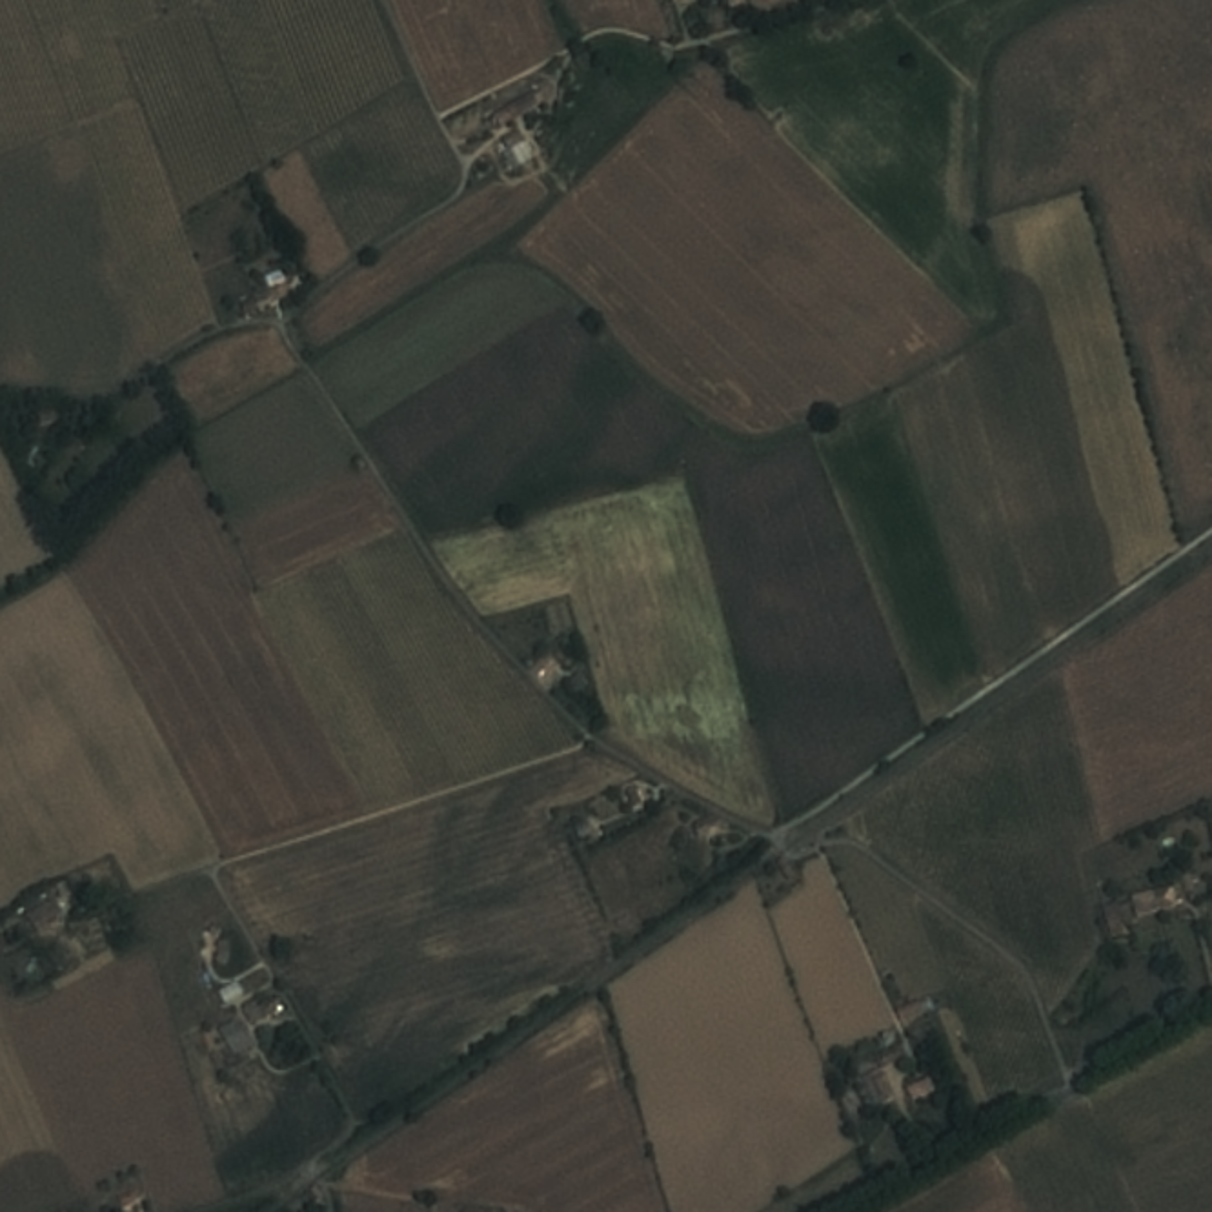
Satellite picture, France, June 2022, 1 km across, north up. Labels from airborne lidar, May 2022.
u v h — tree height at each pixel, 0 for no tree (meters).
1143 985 0
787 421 0
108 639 0
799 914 0
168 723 0
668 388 0
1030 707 0
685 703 0
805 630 0
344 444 0
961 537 0
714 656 0
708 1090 0
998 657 0
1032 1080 0
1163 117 0
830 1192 0
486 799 0
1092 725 0
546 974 0
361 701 0
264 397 0
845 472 0
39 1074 0
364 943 0
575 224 0
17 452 6
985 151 0
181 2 0
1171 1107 0
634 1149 0
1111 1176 0
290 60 0
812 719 0
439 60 0
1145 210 0
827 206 0
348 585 0
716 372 0
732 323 0
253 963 0
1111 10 0
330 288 0
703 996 0
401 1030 0
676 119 0
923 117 0
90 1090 0
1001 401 0
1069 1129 0
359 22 0
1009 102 0
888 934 0
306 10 0
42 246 0
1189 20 0
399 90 0
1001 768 0
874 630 0
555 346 0
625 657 0
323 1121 0
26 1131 0
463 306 0
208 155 0
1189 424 0
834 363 0
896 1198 31
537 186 0
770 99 0
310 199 0
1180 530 13
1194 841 7
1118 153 0
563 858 0
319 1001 0
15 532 0
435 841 0
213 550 0
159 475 0
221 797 0
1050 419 0
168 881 0
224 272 0
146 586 0
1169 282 0
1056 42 0
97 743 0
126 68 0
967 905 0
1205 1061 0
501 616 0
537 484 0
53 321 0
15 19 0
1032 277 0
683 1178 0
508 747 0
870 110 0
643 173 0
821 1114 0
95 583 0
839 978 0
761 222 0
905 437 0
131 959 0
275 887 0
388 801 0
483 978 0
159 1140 0
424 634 0
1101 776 0
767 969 0
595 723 10
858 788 0
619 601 0
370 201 0
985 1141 31
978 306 0
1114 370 0
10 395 12
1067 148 0
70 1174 0
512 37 0
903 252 0
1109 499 0
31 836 0
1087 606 0
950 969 0
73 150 0
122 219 0
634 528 0
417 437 0
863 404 0
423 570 0
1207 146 0
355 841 0
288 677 0
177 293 0
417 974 0
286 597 0
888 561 0
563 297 0
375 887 0
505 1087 0
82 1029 0
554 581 0
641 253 0
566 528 0
